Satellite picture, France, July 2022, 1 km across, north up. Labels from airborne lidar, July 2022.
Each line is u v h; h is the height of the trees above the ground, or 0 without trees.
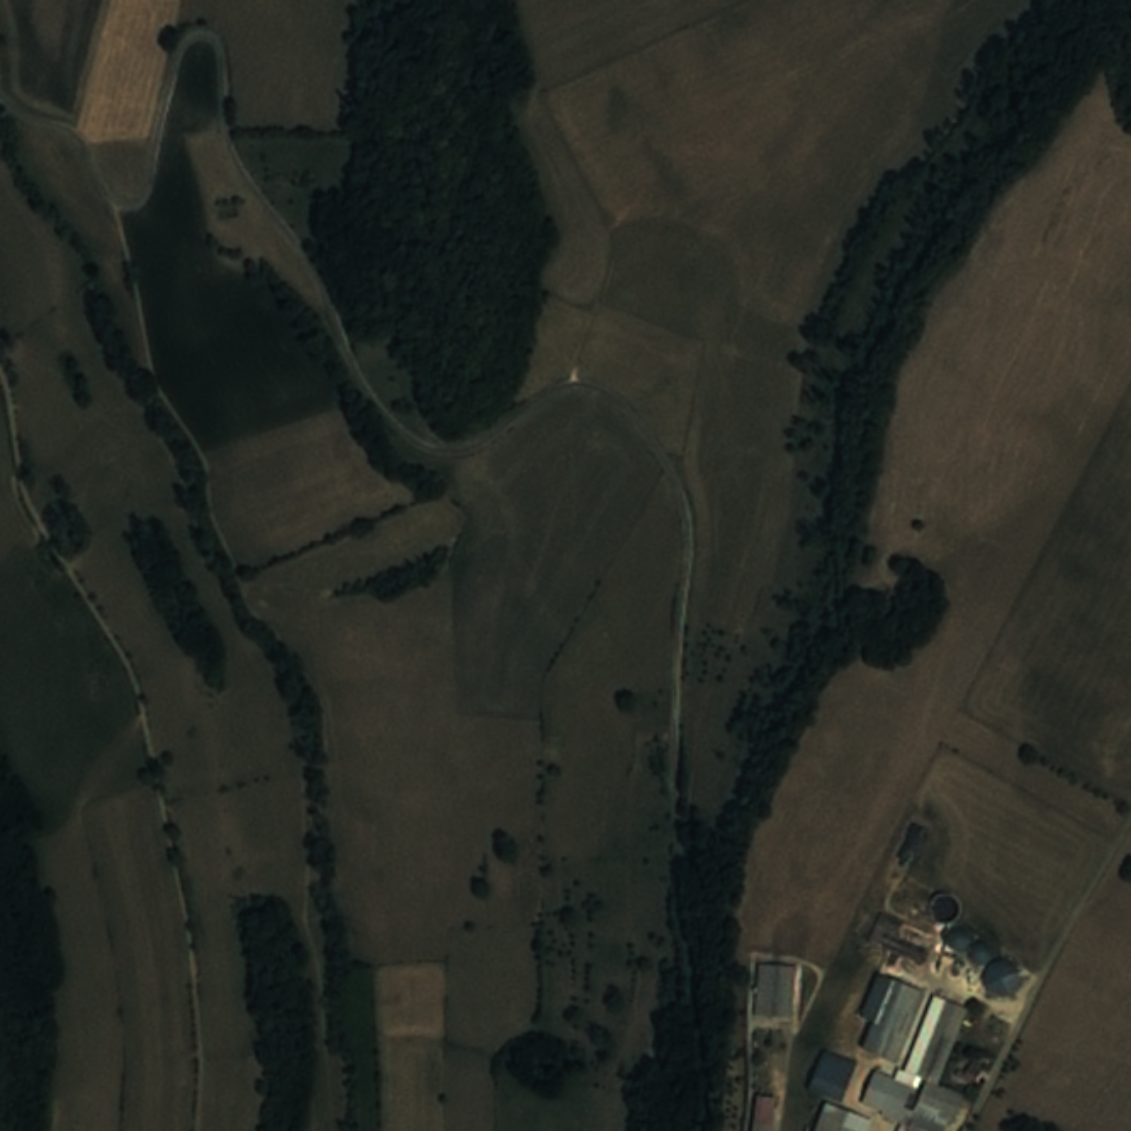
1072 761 0
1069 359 0
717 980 13
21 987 22
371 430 19
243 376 0
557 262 0
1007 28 0
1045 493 0
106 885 0
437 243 8
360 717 0
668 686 0
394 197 19
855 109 0
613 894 0
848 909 0
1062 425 0
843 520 17
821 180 0
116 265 0
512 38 22
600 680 0
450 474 0
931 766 0
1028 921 0
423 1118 0
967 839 0
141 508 0
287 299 18
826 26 0
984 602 0
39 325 0
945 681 0
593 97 0
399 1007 0
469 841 0
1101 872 0
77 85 0
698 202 0
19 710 0
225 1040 0
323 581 0
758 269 0
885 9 0
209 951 0
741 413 0
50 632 0
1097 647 0
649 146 0
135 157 0
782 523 0
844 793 0
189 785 0
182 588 24
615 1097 0
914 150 0
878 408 13
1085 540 0
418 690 0
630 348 0
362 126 15
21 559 0
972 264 0
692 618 0
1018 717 0
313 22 0
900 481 0
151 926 0
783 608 16
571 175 0
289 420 0
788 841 0
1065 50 22
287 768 0
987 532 0
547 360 0
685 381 0
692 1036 19
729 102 0
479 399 18
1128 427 0
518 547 0
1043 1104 0
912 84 0
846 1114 0
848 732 0
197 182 0
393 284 19
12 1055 16
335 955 22
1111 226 0
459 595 0
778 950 0
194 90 0
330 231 20
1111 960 0
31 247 0
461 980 0
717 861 18
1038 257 0
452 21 22
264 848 0
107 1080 0
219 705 0
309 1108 11
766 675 7
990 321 0
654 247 0
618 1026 0
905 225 0
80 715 0
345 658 0
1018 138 15
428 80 15
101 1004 0
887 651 13
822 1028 0
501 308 18
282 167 0
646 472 0
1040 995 0
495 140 21
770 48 0
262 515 0
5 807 14
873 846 0
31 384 0
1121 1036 0
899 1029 0
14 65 0
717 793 0
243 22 0
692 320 0
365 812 0
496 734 0
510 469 0
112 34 0
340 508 0
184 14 0
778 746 15
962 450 0
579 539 0
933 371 0
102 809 0
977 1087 13
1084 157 0
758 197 0
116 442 0
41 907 21
